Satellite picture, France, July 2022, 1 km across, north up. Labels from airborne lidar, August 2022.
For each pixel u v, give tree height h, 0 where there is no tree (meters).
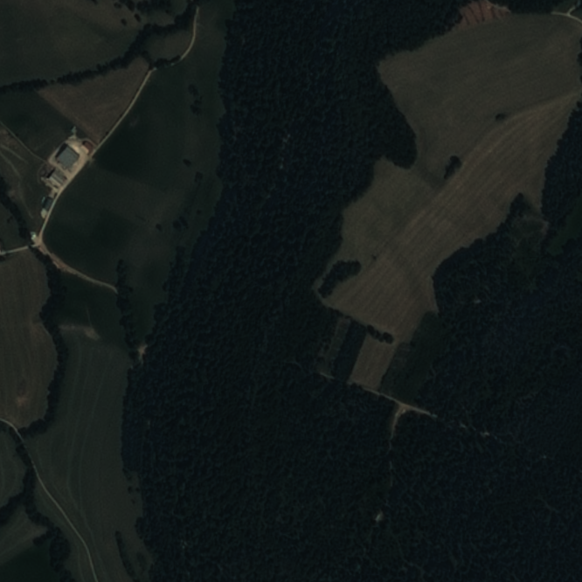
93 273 0
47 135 0
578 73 0
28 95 0
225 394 17
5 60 0
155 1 10
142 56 9
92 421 0
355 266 15
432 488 27
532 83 0
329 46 30
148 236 0
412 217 0
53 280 19
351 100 15
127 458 21
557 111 0
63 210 0
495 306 17
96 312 0
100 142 0
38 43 0
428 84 0
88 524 0
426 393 19
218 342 21
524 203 17
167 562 24
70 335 0
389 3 18
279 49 14
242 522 21
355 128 24
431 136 0
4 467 0
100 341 0
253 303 15
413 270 0
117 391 0
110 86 0
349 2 13
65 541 12
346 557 7
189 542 23
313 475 11
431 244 0
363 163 24
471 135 0
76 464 0
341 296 0
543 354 21
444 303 13
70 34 0
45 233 0
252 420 10
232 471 12
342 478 9
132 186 0
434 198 0
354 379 0
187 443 19
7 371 0
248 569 25
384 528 19
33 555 0
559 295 35
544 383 6
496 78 0
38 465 0
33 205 0
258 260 26
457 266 22
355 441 20
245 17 19
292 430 9
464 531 21
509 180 0
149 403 9
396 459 14
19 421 0
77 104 0
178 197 0
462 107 0
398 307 0
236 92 21
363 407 17
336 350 0
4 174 0
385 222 0
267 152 21
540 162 0
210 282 19
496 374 10
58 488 0
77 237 0
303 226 32
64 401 0
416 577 27
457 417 20
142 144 0
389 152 24
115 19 0
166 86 0
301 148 8
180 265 13
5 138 0
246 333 13
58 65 0
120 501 0
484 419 16
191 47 0
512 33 0
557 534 23
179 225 13
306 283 16
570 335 14
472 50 0
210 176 0
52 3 0
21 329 0
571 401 19
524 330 33
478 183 0
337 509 10
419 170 0
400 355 0
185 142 0
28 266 0
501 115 5
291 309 12
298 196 15
